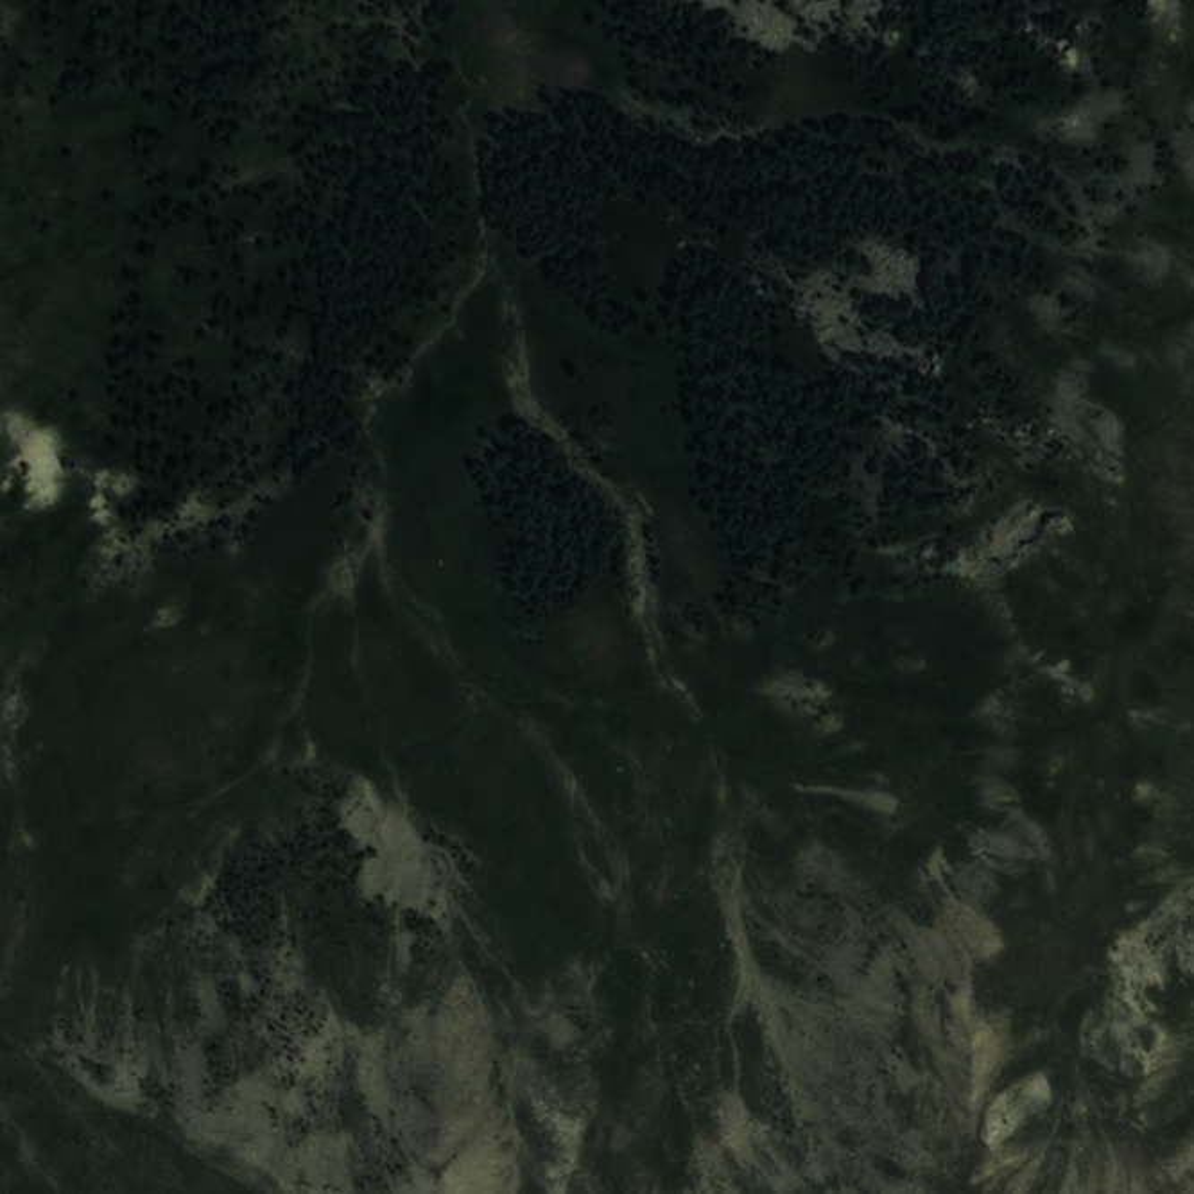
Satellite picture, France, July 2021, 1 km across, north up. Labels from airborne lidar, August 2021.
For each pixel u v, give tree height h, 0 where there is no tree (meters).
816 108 0
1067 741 0
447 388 0
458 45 0
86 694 0
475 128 0
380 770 0
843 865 0
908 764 0
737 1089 0
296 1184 0
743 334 20
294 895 0
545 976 0
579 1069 0
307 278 16
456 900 0
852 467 9
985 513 0
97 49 18
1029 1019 0
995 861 0
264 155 0
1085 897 0
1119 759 0
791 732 0
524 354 0
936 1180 0
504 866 0
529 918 0
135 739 0
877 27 13
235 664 0
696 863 0
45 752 0
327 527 0
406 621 0
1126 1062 0
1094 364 0
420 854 0
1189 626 0
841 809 0
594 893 0
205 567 0
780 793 0
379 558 0
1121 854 0
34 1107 0
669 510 0
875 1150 0
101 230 0
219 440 10
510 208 21
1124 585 0
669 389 0
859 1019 0
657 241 0
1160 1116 0
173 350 0
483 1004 0
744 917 0
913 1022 0
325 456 10
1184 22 0
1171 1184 0
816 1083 0
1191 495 0
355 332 21
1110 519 0
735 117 9
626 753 0
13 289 0
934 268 14
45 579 0
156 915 0
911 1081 0
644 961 0
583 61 0
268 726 0
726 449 15
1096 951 0
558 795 0
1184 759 0
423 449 0
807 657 0
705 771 0
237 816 0
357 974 0
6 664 0
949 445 8
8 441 0
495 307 0
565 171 24
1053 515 0
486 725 0
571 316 0
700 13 10
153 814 0
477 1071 0
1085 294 0
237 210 0
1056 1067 0
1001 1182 0
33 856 0
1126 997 0
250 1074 0
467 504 0
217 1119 0
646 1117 0
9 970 0
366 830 0
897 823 0
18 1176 0
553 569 15
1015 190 9
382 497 0
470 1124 0
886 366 10
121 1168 0
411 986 0
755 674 0
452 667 0
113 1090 0
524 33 0
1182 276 0
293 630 0
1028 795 0
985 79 13
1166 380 0
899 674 0
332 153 18
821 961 0
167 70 13
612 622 0
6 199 0
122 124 0
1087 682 0
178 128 0
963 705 0
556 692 0
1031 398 0
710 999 0
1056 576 0
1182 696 0
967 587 0
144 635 0
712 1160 0
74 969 0
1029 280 9
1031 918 0
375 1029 0
